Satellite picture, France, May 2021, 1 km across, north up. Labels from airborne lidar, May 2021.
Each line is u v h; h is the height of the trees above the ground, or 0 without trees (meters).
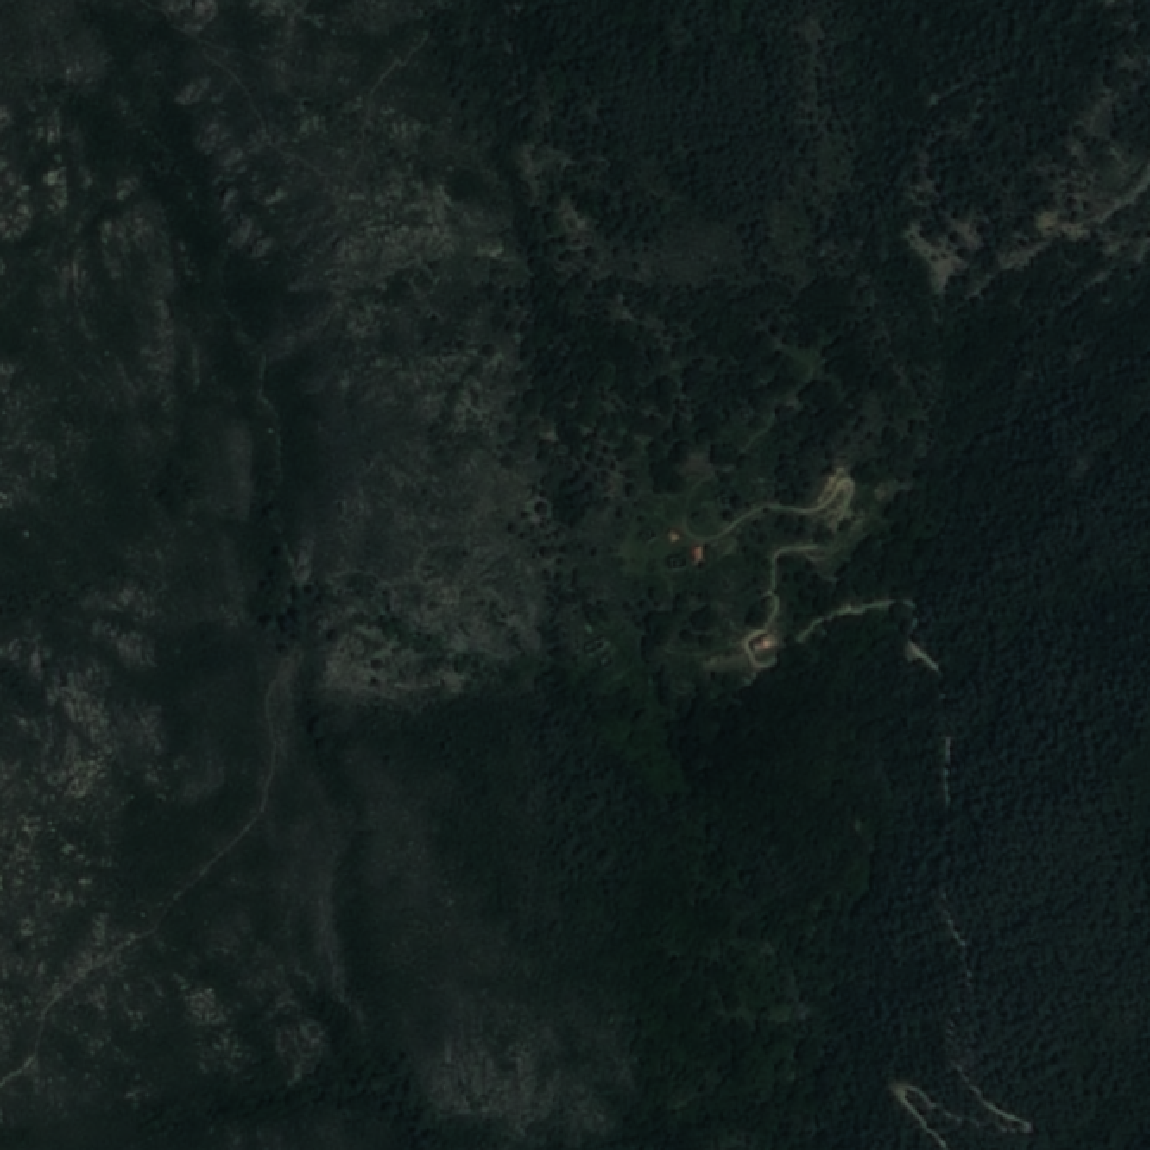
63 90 8
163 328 0
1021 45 10
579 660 9
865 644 10
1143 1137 10
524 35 7
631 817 11
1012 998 16
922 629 11
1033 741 14
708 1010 19
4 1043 0
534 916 6
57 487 8
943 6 11
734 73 20
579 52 15
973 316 10
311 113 13
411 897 0
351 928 5
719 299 10
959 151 6
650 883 16
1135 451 12
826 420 11
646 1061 12
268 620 21
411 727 6
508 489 0
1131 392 8
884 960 12
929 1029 10
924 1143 20
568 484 11
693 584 7
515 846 6
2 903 0
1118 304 8
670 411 11
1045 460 12
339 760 5
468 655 8
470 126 11
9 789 0
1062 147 10
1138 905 20
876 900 17
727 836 18
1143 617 15
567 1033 6
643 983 16
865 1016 18
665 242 10
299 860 0
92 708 0
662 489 11
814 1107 20
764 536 13
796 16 15
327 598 14
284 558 25
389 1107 24
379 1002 6
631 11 9
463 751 8
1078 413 21
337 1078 13
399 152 13
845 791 15
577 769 10
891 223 9
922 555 15
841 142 7
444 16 9
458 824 8
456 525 0
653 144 13
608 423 14
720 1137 17
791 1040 10
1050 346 12
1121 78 16
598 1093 7
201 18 0
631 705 15
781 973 8
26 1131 7
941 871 17
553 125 9
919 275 10
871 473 17
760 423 9
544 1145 11
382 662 9
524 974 8
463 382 6
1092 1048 16
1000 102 7
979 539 9
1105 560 15
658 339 8
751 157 21
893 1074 10
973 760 16
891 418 9
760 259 11
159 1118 10
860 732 13
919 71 10
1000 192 8
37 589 6
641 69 20
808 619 8
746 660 0
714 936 17
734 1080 15
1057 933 19
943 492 11
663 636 12
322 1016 9
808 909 12
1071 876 18
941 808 10
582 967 9
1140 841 7
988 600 9
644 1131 13
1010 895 13
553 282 8
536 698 5
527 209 9
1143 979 15
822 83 14
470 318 7
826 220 17
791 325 7
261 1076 7
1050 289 10
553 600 7
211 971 6
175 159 5
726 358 8
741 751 15
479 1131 8
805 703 12
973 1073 20
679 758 10
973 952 15
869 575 25
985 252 10
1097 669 9
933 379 6
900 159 10
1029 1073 21
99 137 6
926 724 15
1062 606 15
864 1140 19
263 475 7
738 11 11
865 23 9
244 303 5
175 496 13
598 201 7
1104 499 18
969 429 11
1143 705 21
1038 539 21
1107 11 6
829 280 8
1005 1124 17
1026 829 20
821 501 0
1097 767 8
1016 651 17
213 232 6
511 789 6
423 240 6
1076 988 15
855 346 11
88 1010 8
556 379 8
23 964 0
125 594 0
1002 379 11
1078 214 13
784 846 16
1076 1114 15
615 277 10
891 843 15
